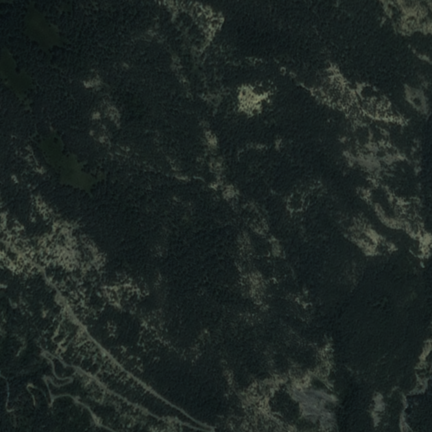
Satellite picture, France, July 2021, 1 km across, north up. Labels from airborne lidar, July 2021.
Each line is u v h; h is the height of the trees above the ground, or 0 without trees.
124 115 12
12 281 7
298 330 9
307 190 6
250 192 9
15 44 19
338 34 12
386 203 9
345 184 10
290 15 7
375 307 10
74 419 8
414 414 6
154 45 9
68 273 8
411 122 7
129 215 16
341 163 8
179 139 12
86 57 20
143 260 13
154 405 6
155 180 14
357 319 8
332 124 11
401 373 7
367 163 0
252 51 13
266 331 9
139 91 6
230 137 8
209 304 10
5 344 8
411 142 7
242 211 7
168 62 14
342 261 8
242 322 9
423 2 7
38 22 0
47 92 9
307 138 11
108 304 7
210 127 8
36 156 6
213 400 12
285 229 9
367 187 6
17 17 23
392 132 10
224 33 13
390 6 11
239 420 7
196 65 7
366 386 7
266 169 8
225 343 13
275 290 7
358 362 6
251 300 6
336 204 6
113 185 18
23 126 9
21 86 0
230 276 11
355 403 10
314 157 11
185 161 14
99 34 13
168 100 13
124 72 13
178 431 6
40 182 8
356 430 9
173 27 8
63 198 10
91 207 9
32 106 14
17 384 9
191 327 11
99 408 6
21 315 7
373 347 8
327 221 8
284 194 6
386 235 8
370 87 6
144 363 8
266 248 10
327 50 8
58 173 11
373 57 13
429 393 8
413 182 10
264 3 9
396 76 11
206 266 18
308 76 9
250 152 7
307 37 14
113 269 6
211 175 7
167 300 8
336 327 12
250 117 7
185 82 11
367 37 9
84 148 12
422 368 8
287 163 10
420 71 9
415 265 8
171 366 10
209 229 9
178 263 12
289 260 11
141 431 7
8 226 6
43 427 6
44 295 6
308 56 14
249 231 7
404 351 9
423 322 11
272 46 16
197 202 11
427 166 9
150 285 6
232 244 10
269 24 15
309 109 13
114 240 10
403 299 8
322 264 7
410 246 6
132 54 10
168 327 7
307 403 0
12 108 11
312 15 13
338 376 9
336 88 6
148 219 12
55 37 0
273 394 19
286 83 7
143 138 9
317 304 6
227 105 8
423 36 11
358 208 8
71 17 12
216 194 6
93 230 8
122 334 7
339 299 11
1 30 17
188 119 10
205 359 8
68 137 14
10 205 8
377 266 12
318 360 6
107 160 7
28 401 13
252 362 11
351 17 7
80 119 9
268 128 11
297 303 6
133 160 7
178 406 7
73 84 14
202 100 8
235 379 8
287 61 8
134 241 14
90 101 12
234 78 9
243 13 13
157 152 7
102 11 18
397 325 9
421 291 8
